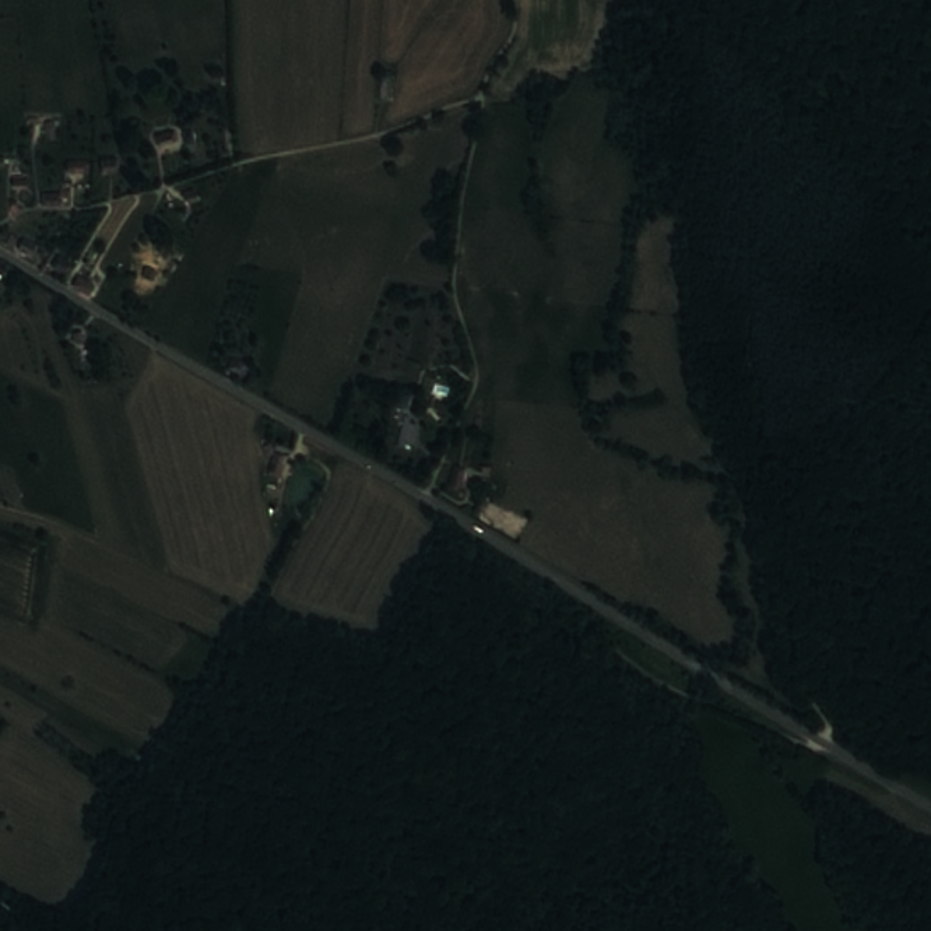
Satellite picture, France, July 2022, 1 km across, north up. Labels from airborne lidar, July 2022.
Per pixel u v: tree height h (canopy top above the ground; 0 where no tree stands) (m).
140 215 0
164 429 0
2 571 0
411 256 0
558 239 0
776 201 19
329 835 23
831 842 18
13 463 0
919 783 0
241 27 0
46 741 20
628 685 25
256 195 0
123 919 23
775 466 23
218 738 19
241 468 0
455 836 25
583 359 16
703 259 21
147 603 0
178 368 0
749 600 0
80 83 0
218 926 25
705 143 20
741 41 21
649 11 17
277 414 0
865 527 26
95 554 0
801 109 23
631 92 21
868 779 0
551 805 23
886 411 22
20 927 19
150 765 22
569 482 0
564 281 0
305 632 23
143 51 0
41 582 0
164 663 0
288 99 0
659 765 25
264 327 0
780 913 17
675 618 0
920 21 21
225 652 15
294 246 0
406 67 0
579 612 20
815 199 20
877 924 24
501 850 26
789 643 18
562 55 0
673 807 23
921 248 13
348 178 0
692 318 15
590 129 0
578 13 0
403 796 25
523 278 0
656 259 0
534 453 0
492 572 23
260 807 25
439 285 0
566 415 0
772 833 0
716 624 0
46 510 0
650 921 19
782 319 19
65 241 14
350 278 0
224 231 0
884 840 28
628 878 9
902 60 27
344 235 0
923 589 31
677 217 14
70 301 10
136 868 24
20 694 0
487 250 0
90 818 17
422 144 0
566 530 0
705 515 0
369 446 15
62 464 0
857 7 24
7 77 0
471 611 26
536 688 14
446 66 0
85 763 7
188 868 21
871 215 15
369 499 0
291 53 0
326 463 0
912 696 27
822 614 23
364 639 21
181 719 18
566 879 23
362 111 0
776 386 17
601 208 0
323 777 23
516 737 20
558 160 0
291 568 0
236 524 0
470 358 11
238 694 20
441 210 15
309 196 0
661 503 0
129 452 0
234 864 28
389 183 0
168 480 0
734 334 20
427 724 29
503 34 0
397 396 15
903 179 25
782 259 17
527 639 20
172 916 25
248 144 0
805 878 0
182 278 0
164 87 26
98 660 0
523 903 19
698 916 20
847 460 22
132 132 24
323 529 0
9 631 0
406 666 30
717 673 13
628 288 8
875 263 17
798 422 18
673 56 19
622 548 0
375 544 0
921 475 20
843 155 20
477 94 0
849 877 20
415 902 29
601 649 25
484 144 0
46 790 0
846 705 20
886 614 28
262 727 25
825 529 26
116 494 0
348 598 0
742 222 18
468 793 24
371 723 27
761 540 27
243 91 0
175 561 0
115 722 0
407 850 23
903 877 26
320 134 0
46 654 0
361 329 0
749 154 16
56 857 0
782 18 21
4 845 0
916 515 22
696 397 25
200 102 10
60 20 0
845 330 23
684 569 0
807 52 26
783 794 0
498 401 0
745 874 22
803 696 22
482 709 26
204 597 0
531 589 15
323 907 21
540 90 17
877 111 22
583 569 0
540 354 0
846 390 20
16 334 0
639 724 24
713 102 16
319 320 0
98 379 11
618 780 23
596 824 20
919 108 26
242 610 9
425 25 0
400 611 21
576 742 21
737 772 0
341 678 22
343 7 0
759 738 9
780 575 22
